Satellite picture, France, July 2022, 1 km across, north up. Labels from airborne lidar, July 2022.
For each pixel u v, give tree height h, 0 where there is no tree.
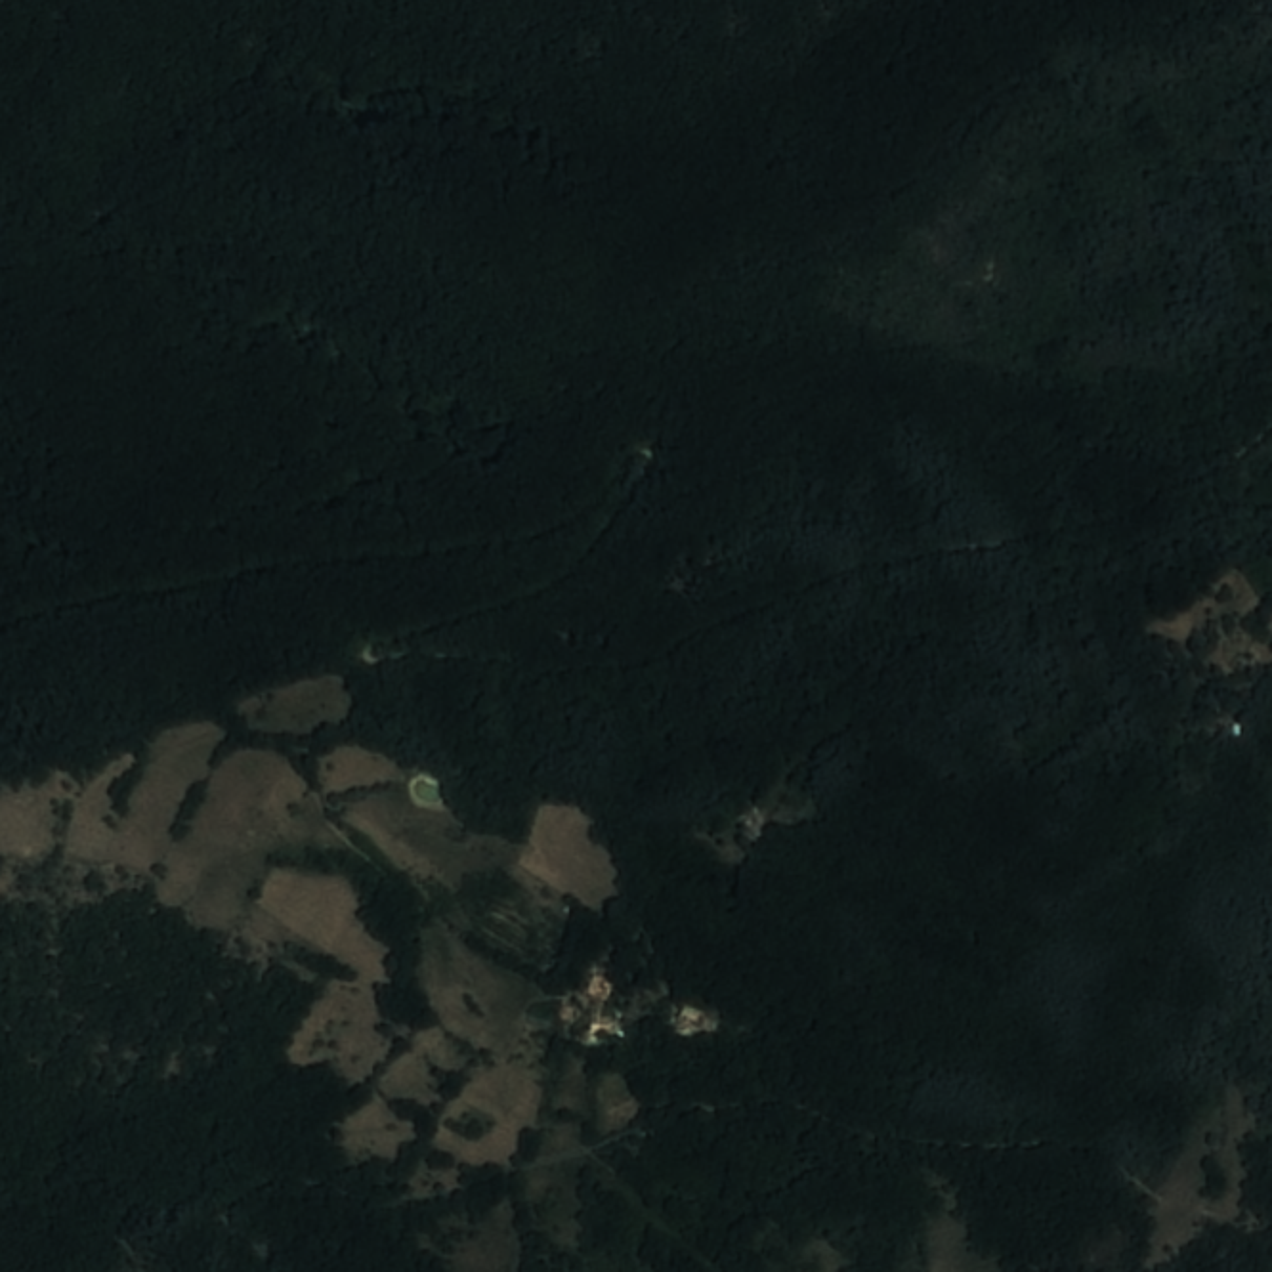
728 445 12
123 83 15
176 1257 18
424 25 14
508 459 14
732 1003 17
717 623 13
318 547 18
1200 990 18
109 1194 23
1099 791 16
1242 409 10
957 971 24
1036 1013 16
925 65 19
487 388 14
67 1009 8
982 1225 16
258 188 16
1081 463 18
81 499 24
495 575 19
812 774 17
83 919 10
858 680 21
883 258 10
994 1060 13
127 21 12
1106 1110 17
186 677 14
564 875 0
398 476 26
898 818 18
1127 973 19
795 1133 20
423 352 14
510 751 13
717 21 14
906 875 20
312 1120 17
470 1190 9
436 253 13
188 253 20
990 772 17
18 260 21
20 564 16
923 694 18
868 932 20
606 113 13
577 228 20
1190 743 8
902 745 20
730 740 21
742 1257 15
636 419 17
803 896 22
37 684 11
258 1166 19
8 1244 22
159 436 21
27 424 21
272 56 23
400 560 11
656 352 20
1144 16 14
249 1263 16
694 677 16
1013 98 9
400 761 9
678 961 17
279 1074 16
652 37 12
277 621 18
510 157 18
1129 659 9
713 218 15
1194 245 16
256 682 11
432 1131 14
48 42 20
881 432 18
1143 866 12
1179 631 0
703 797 15
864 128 23
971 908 21
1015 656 17
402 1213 8
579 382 21
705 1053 13
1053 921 21
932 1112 16
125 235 17
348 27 14
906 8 17
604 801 15
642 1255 14
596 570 14
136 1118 21
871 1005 24
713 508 16
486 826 11
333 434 28
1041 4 18
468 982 0
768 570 20
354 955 0
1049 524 22
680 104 11
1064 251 7
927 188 5
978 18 16
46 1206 20
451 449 32
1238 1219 7
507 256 15
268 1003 15
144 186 20
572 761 20
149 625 17
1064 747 6
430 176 16
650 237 19
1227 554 14
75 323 22
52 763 9
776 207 17
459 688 17
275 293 19
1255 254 7
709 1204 11
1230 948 16
